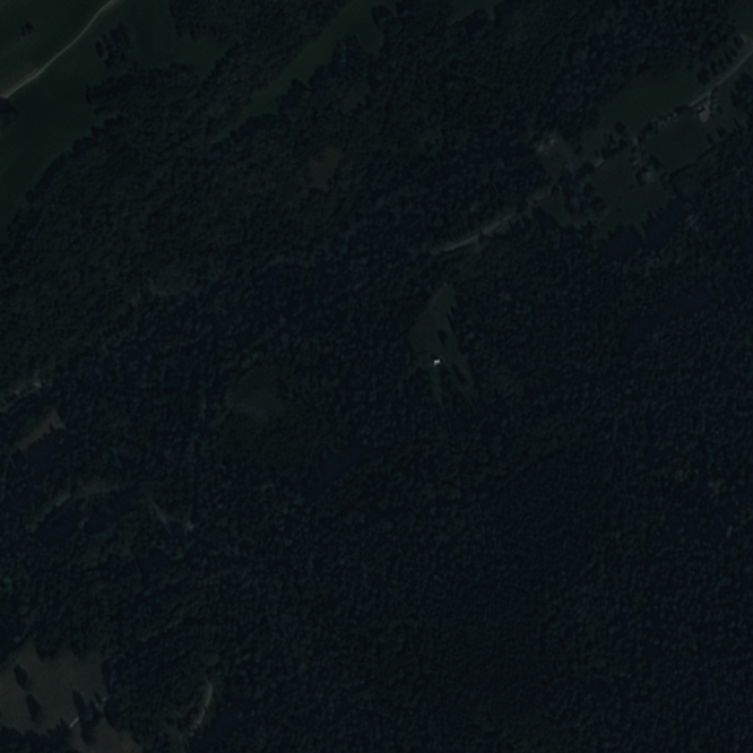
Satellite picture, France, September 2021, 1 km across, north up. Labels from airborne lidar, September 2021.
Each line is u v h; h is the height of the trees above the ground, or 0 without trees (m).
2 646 8
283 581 18
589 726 20
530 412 18
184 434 10
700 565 20
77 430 25
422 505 21
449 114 12
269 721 25
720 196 9
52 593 21
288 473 7
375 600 24
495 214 16
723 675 33
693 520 6
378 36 0
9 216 0
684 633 32
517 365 8
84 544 21
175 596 17
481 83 21
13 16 0
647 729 21
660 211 0
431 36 15
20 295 26
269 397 0
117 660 17
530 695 22
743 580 6
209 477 22
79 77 0
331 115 24
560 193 13
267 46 18
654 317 8
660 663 30
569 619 16
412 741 20
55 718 0
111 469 30
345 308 24
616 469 17
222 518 11
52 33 0
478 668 18
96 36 0
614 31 21
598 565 19
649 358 25
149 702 24
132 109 22
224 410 18
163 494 24
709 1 21
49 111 0
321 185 0
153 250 20
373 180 30
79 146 0
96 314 22
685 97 0
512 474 23
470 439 32
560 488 23
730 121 0
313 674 22
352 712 27
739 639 21
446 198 19
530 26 22
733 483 13
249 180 21
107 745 0
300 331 17
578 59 21
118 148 25
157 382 29
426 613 24
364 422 21
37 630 14
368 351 6
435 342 0
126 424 27
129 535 20
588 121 19
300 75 0
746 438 34
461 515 22
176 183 15
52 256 28
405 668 25
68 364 8
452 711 21
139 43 0
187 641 23
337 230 16
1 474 20
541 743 19
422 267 8
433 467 18
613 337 7
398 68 25
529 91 29
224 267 23
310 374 15
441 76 9
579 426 27
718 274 8
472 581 19
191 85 24
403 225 7
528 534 23
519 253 9
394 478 19
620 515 25
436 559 19
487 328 17
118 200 28
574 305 12
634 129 0
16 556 26
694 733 24
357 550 26
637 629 32
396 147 15
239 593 24
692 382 29
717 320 30
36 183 0
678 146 0
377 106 20
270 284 12
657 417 36
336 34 0
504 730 20
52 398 19
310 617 15
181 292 26
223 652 22
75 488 23
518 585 20
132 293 11
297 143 17
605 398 29
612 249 0
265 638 16
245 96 26
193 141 24
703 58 20
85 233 24
